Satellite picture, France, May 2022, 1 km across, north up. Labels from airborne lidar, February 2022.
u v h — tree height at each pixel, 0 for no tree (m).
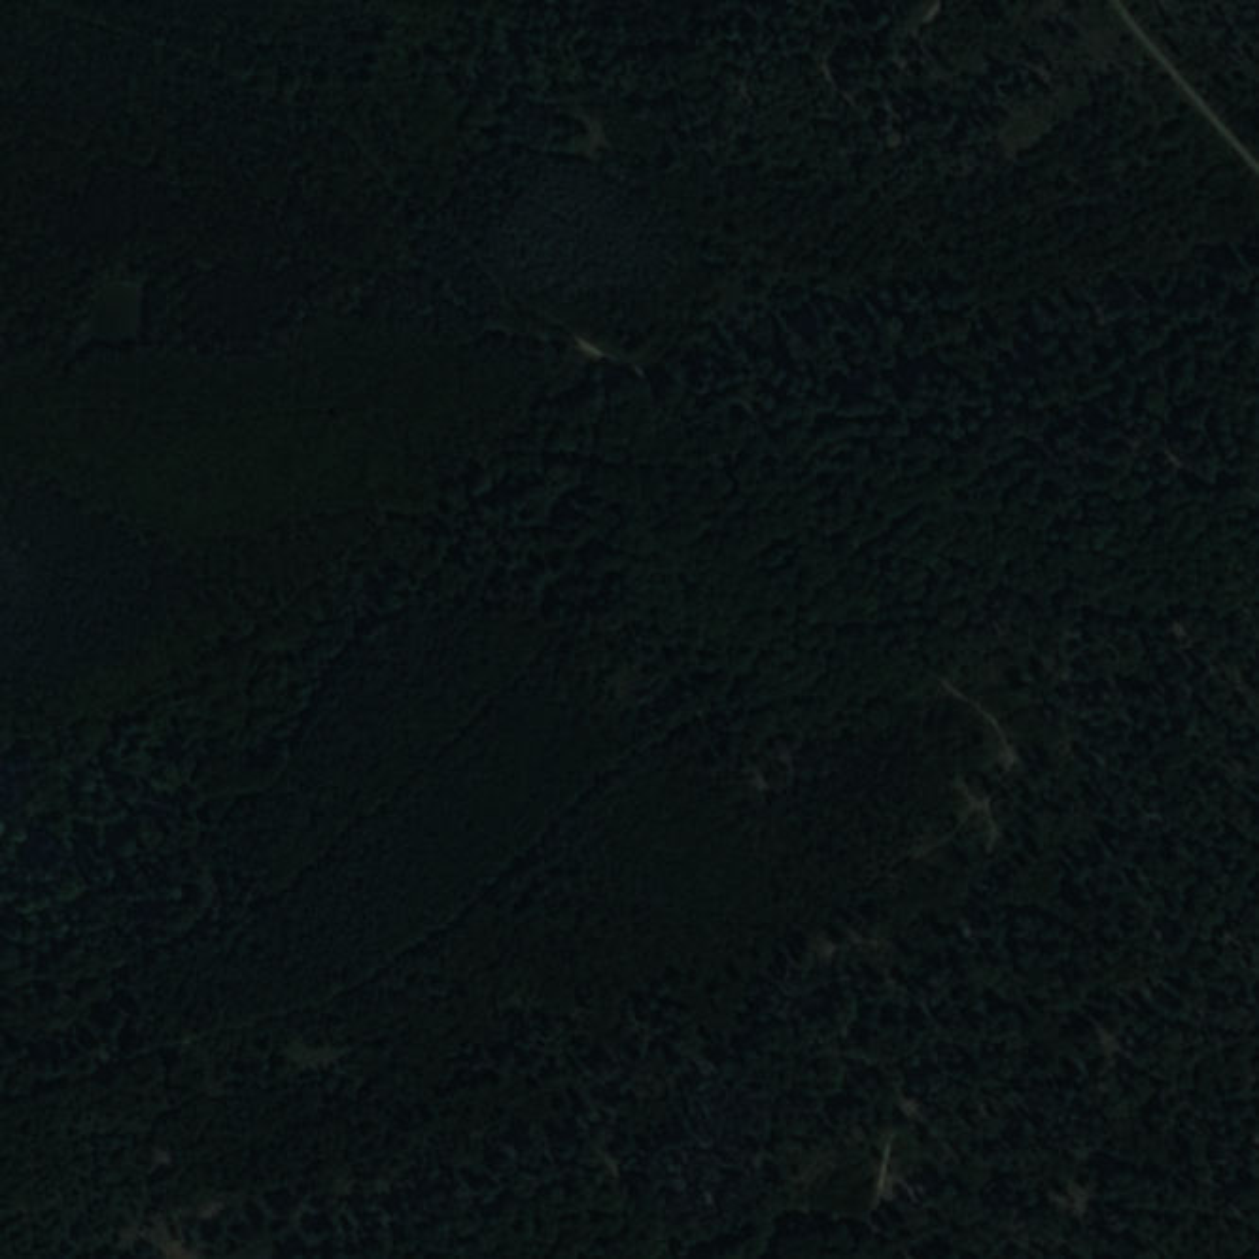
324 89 12
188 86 19
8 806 42
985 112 10
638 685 0
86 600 21
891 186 8
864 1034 36
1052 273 6
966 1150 33
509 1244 28
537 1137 31
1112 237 7
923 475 32
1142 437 37
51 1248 10
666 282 16
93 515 20
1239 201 12
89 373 14
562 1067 32
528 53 33
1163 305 39
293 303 21
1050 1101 33
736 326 9
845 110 29
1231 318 34
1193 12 0
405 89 14
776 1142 30
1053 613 32
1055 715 36
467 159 12
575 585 18
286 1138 10
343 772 17
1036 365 39
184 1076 12
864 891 11
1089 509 32
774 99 21
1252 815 37
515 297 12
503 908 22
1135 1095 32
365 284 18
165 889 34
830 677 34
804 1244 36
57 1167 12
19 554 20
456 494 14
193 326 10
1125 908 33
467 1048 18
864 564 34
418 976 18
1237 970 34
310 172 7
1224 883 37
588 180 19
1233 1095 24
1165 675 35
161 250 15
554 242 18
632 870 15
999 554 31
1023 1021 35
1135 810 36
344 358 17
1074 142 16
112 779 40
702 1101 31
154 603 21
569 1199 29
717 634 31
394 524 15
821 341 39
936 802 7
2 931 38
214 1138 7
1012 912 33
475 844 19
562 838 21
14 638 20
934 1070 38
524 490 38
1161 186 8
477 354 18
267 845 16
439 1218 28
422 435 17
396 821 17
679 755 11
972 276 8
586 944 18
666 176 13
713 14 8
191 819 12
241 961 18
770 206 13
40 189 15
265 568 20
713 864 15
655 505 33
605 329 13
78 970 28
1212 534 32
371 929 22
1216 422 29
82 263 15
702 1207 31
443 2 15
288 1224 11
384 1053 13
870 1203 5
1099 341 38
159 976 17
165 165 8
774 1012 32
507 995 16
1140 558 32
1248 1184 35
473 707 14
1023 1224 34
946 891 34
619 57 29
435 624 20
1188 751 37
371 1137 9
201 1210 0
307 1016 16
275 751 19
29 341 19
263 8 17
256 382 16
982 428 37
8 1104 12
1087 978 32
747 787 14
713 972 9
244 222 15
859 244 8
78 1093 12
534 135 26
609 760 13
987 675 0
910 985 35
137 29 17
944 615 31
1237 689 0
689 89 24
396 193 11
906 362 0
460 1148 7
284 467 16
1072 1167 9
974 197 13
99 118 16
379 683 15
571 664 15
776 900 18
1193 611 29
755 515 36
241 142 17
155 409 17
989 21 31
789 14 27
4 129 13
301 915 21
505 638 14
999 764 0
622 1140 29
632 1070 33
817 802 15
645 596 34
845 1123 36
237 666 14
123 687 18
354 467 16
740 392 30
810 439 36
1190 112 12
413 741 15
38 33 17
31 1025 8
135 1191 11
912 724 11
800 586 35
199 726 13
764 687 34
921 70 31
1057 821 32
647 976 15
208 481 15
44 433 15
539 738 18
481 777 18
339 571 15
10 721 24
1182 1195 34
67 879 21
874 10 35
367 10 11
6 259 14
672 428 31
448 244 21
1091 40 0
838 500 34
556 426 32
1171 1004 32
